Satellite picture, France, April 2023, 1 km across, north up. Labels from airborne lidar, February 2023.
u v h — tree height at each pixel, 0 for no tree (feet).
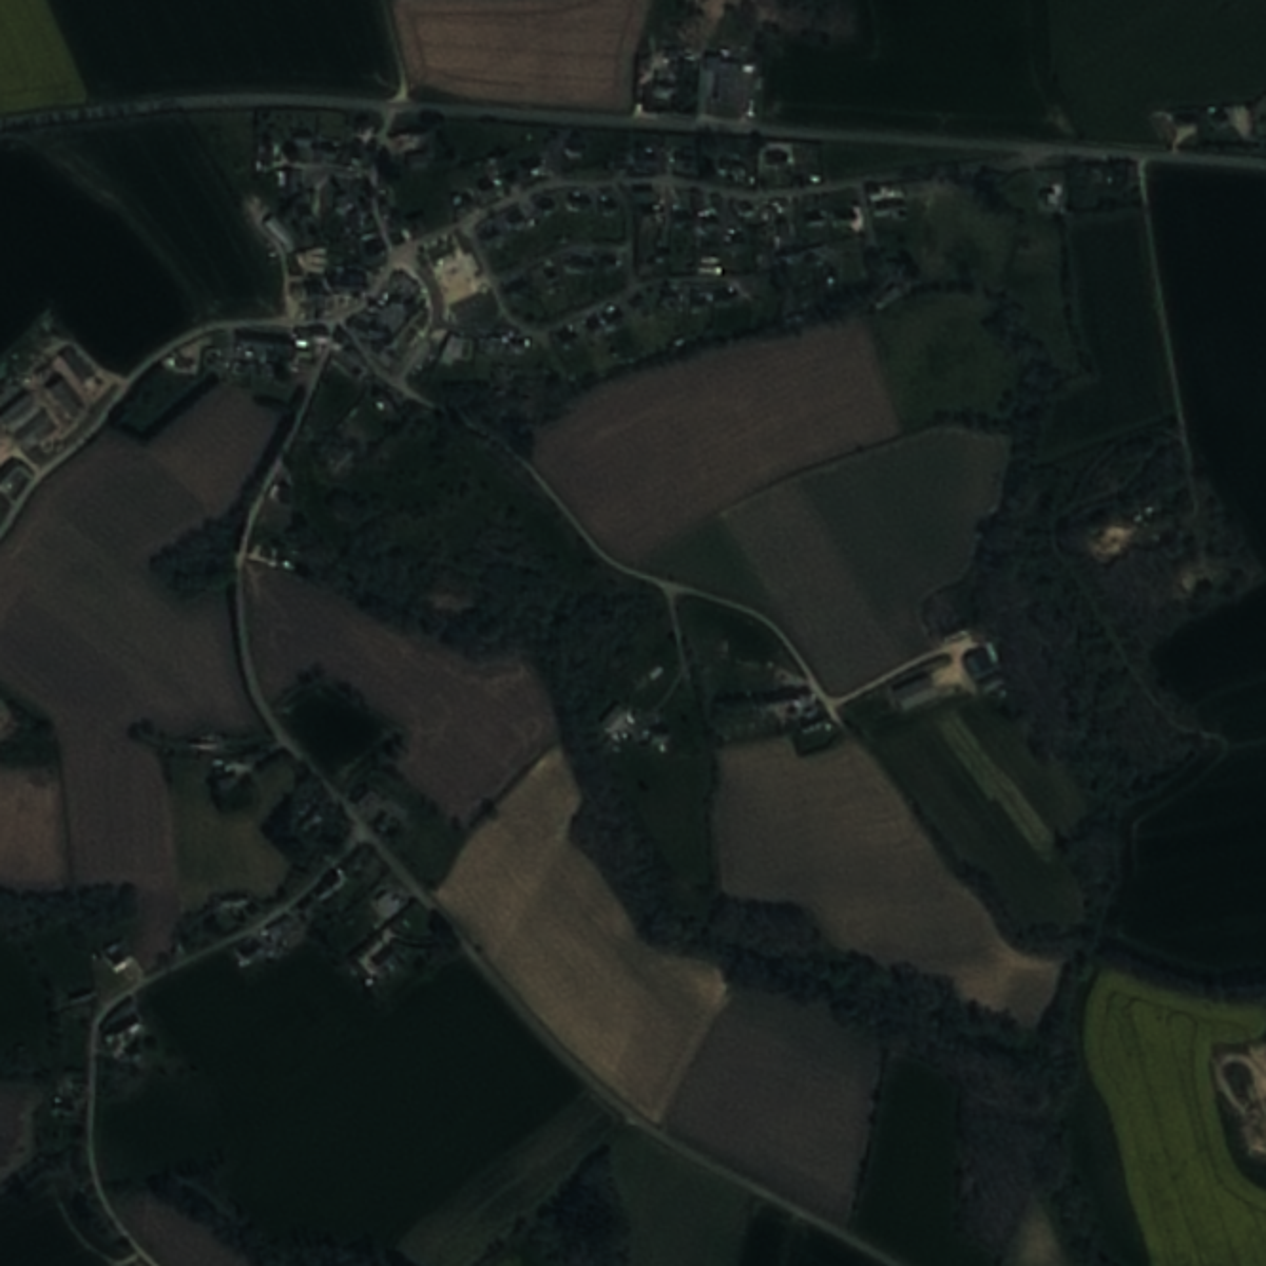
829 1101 0
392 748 31
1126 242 0
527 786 0
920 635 0
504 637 52
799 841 0
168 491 0
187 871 0
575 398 51
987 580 55
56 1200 0
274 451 36
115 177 0
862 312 31
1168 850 0
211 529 28
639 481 0
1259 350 0
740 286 0
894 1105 0
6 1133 0
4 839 0
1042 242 0
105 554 0
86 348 0
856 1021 31
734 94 0
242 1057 0
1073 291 31
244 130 0
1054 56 0
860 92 0
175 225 0
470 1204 0
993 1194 60
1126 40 0
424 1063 0
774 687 0
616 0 0
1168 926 0
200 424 0
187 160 0
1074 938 39
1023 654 72
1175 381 0
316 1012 0
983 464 0
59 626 0
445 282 0
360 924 0
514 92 0
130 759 0
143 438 26
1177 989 54
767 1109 0
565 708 40
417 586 24
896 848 0
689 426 0
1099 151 0
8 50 0
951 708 0
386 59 0
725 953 57
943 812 0
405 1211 0
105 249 0
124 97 0
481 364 0
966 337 0
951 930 0
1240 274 0
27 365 0
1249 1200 0
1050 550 21
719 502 0
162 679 0
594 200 0
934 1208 0
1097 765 43
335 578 63
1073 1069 54
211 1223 71
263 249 0
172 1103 0
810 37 24
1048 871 0
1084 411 0
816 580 0
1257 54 0
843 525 0
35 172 0
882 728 0
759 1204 0
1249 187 0
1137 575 39
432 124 38
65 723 0
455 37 0
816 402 0
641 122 0
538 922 0
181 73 0
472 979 0
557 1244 20
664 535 0
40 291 0
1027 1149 51
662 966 0
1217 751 0
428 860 0
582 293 0
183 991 0
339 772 0
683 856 0
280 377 45
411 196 0
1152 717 26
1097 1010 0
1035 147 0
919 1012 56
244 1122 0
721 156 34
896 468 0
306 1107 0
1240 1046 0
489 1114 0
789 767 0
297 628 0
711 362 0
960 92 0
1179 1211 0
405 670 0
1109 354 0
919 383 0
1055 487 0
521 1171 0
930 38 0
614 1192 23
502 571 35
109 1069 76
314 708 0
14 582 0
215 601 0
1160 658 0
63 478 0
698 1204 0
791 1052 0
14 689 0
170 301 0
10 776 0
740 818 0
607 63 0
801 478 0
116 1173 0
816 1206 0
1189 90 0
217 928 24
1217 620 0
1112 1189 0
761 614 0
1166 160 0
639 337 0
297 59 0
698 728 0
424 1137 0
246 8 0
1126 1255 0
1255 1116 0
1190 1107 0
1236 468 0
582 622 52
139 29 0
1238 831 0
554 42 0
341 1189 0
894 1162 0
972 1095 37
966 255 0
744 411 0
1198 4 0
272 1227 0
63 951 0
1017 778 0
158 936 0
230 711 0
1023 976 0
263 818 0
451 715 0
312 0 0
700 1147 0
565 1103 0
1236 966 0
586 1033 0
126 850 0
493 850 0
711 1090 0
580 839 31
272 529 0
